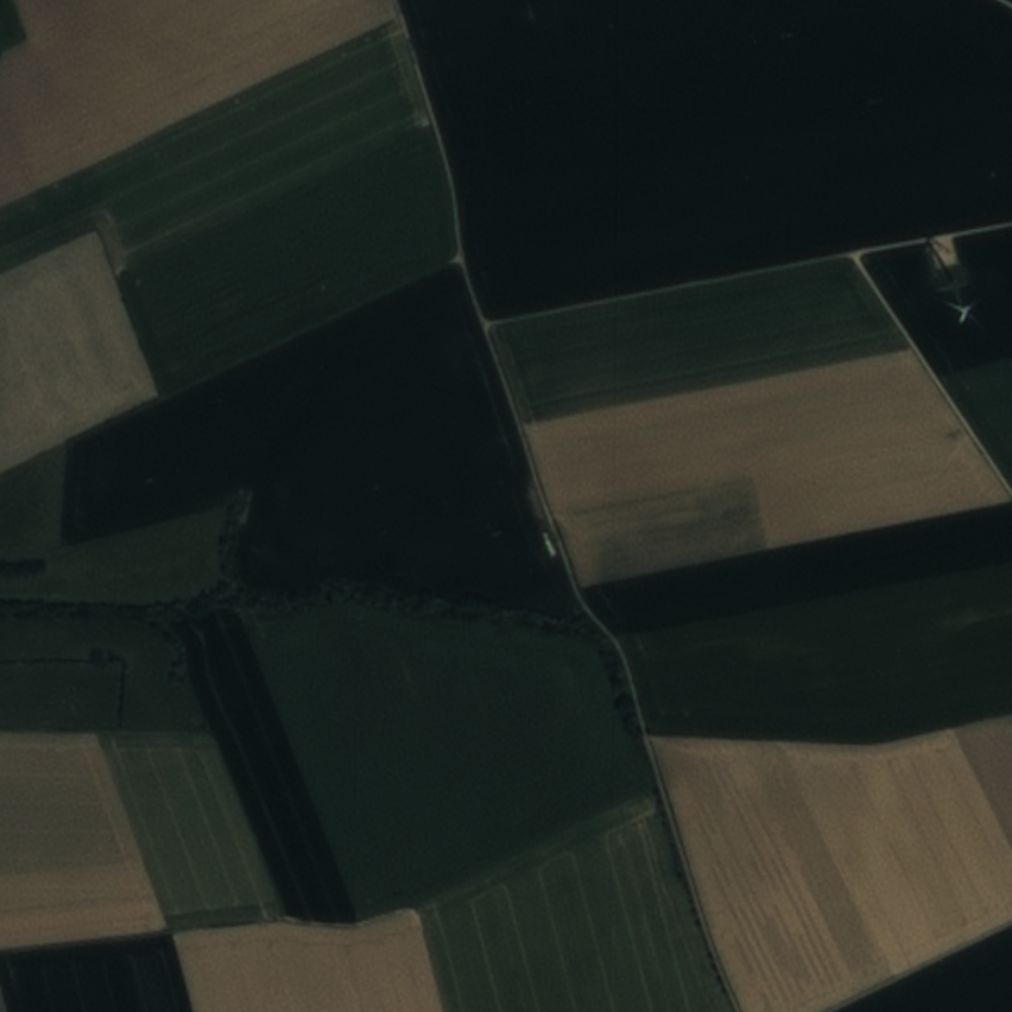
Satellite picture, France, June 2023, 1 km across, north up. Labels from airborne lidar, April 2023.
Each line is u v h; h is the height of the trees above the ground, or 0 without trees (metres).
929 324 0
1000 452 0
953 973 0
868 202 0
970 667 0
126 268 0
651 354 0
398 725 0
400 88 0
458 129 0
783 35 0
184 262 0
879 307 0
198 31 0
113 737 0
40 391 0
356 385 0
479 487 0
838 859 0
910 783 0
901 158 0
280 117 0
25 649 0
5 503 0
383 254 0
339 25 0
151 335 0
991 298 0
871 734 0
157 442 0
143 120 0
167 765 0
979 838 0
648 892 0
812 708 0
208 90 0
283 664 0
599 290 0
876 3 0
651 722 0
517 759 0
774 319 0
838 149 0
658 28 0
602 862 0
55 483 0
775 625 0
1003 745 0
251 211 0
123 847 0
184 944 0
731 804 0
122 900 0
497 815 0
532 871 0
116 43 0
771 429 0
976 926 0
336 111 0
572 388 0
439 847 0
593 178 0
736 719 0
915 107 0
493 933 0
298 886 0
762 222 0
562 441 0
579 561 0
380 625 0
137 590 0
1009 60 0
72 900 0
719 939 0
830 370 0
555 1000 0
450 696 0
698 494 0
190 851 0
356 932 0
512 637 0
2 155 0
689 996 0
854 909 0
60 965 0
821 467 0
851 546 0
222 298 0
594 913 0
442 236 0
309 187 0
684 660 0
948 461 0
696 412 0
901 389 0
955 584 0
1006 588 0
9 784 0
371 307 0
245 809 0
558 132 0
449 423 0
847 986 0
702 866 0
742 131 0
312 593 18
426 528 0
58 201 0
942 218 0
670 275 0
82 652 0
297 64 0
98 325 0
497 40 0
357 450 0
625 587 0
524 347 0
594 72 0
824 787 0
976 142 0
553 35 0
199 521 0
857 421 0
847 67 0
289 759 0
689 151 0
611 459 0
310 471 0
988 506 0
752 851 0
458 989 0
